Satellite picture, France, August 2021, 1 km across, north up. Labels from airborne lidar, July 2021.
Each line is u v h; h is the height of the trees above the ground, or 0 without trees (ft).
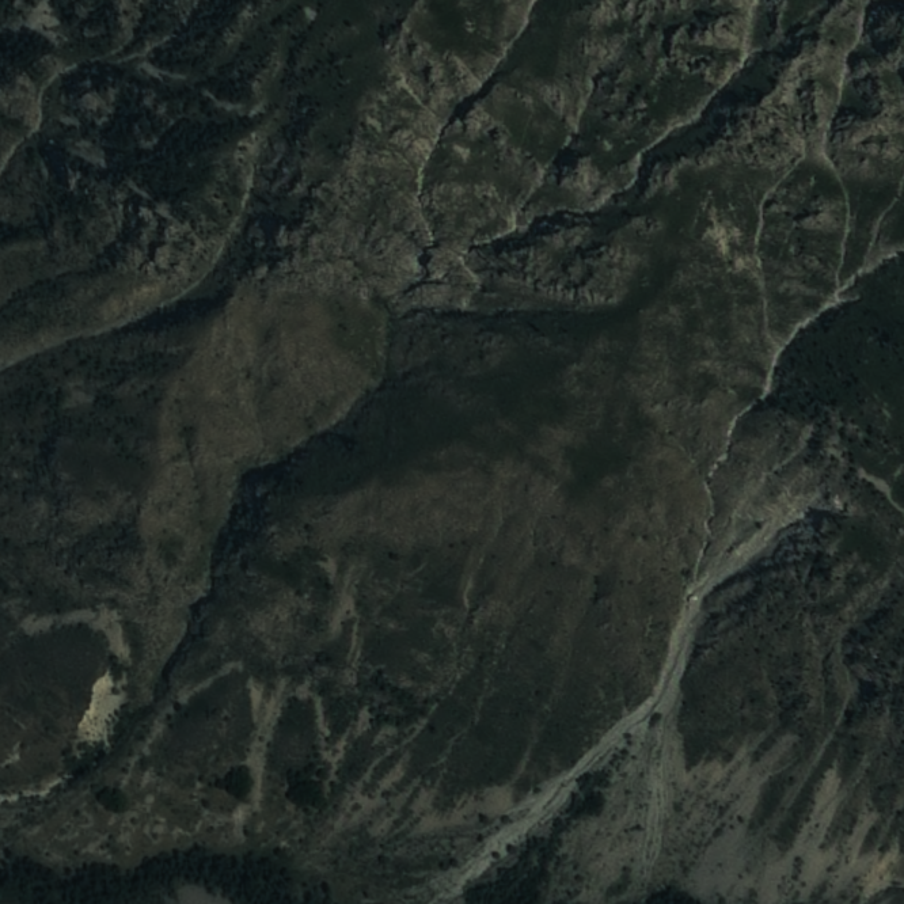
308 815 28
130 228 34
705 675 0
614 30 0
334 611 0
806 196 0
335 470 0
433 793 0
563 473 0
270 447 0
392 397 0
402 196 0
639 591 0
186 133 28
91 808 0
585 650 0
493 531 0
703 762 0
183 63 38
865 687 27
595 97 0
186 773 0
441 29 0
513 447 0
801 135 0
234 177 23
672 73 0
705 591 0
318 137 0
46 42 46
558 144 0
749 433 0
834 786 0
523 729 0
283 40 0
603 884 0
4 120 21
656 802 0
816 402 23
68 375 24
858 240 0
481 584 0
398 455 0
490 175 0
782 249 0
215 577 35
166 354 20
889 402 0
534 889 27
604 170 0
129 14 39
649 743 0
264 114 26
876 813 0
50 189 22
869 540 0
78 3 32
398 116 0
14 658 0
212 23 24
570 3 0
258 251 28
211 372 0
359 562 0
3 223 31
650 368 0
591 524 0
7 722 0
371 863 0
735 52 0
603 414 0
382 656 0
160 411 0
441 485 0
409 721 19
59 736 0
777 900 0
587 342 0
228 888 45
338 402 0
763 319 0
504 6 0
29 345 0
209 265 0
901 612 0
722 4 0
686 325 0
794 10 0
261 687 0
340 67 26
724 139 36
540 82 0
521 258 29
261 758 0
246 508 25
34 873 56
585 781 37
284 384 18
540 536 0
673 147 0
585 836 0
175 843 0
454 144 0
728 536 0
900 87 0
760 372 0
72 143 0
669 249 0
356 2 0
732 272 0
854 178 0
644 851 0
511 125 0
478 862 0
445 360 0
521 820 0
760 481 0
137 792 0
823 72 0
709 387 0
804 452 0
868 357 0
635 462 0
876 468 0
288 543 0
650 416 0
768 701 0
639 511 0
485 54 0
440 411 0
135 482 0
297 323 0
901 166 0
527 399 0
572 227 23
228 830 0
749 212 0
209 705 0
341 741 0
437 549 0
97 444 0
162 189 29
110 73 45
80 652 0
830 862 0
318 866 0
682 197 0
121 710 35
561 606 0
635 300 0
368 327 0
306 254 19
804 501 0
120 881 54
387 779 0
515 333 0
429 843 0
